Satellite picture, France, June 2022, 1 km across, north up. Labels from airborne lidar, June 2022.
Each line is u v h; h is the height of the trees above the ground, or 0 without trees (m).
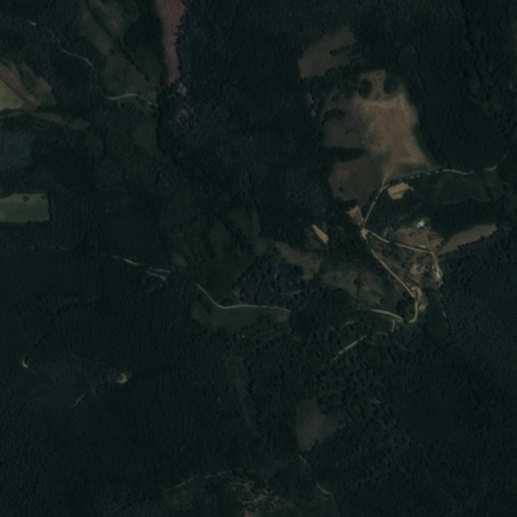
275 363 19
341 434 10
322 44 0
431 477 10
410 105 0
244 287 18
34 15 16
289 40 15
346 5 22
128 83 0
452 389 9
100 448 20
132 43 14
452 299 11
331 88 10
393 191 0
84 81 14
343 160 15
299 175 15
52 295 12
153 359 19
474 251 10
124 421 18
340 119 9
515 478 11
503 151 16
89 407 17
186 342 17
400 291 0
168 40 0
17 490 24
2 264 16
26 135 13
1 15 13
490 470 15
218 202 10
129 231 19
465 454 14
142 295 12
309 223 9
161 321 21
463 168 21
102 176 16
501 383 17
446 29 22
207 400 22
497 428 22
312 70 0
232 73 16
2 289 15
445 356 14
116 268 16
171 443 18
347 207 13
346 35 0
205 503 13
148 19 12
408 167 0
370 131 0
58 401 8
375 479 12
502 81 18
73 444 19
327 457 6
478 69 16
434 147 13
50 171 15
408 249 0
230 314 0
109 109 19
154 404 20
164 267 17
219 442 21
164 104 19
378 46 11
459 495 10
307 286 18
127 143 16
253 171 17
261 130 24
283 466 10
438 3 22
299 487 11
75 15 20
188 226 18
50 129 9
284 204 17
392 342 12
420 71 19
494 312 15
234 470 17
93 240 24
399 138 0
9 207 0
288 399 20
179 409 18
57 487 28
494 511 14
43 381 8
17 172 17
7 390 12
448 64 16
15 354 15
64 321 20
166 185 21
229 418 20
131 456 17
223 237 0
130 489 20
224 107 22
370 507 15
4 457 27
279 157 16
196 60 11
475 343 22
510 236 9
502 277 21
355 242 15
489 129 20
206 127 18
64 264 19
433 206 13
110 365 8
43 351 18
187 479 14
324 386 22
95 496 14
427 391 20
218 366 25
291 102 15
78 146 13
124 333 18
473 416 9
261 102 20
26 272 15
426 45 20
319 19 18
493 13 10
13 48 15
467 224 9
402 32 9
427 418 16
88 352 16
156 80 0
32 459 27
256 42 12
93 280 20
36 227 9
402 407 19
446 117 21
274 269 20
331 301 25
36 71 8
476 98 12
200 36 14
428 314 9
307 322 9
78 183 17
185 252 10
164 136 25
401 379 17
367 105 0
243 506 11
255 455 9
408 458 12
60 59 13
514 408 22
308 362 21
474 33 28
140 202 19
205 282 17
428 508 8
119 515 21
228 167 15
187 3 19
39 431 27
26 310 16
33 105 0
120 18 0
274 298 18
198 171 22
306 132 19
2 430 27
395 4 14
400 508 13
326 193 14
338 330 9
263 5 14
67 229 18
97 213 16
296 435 17
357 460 13
